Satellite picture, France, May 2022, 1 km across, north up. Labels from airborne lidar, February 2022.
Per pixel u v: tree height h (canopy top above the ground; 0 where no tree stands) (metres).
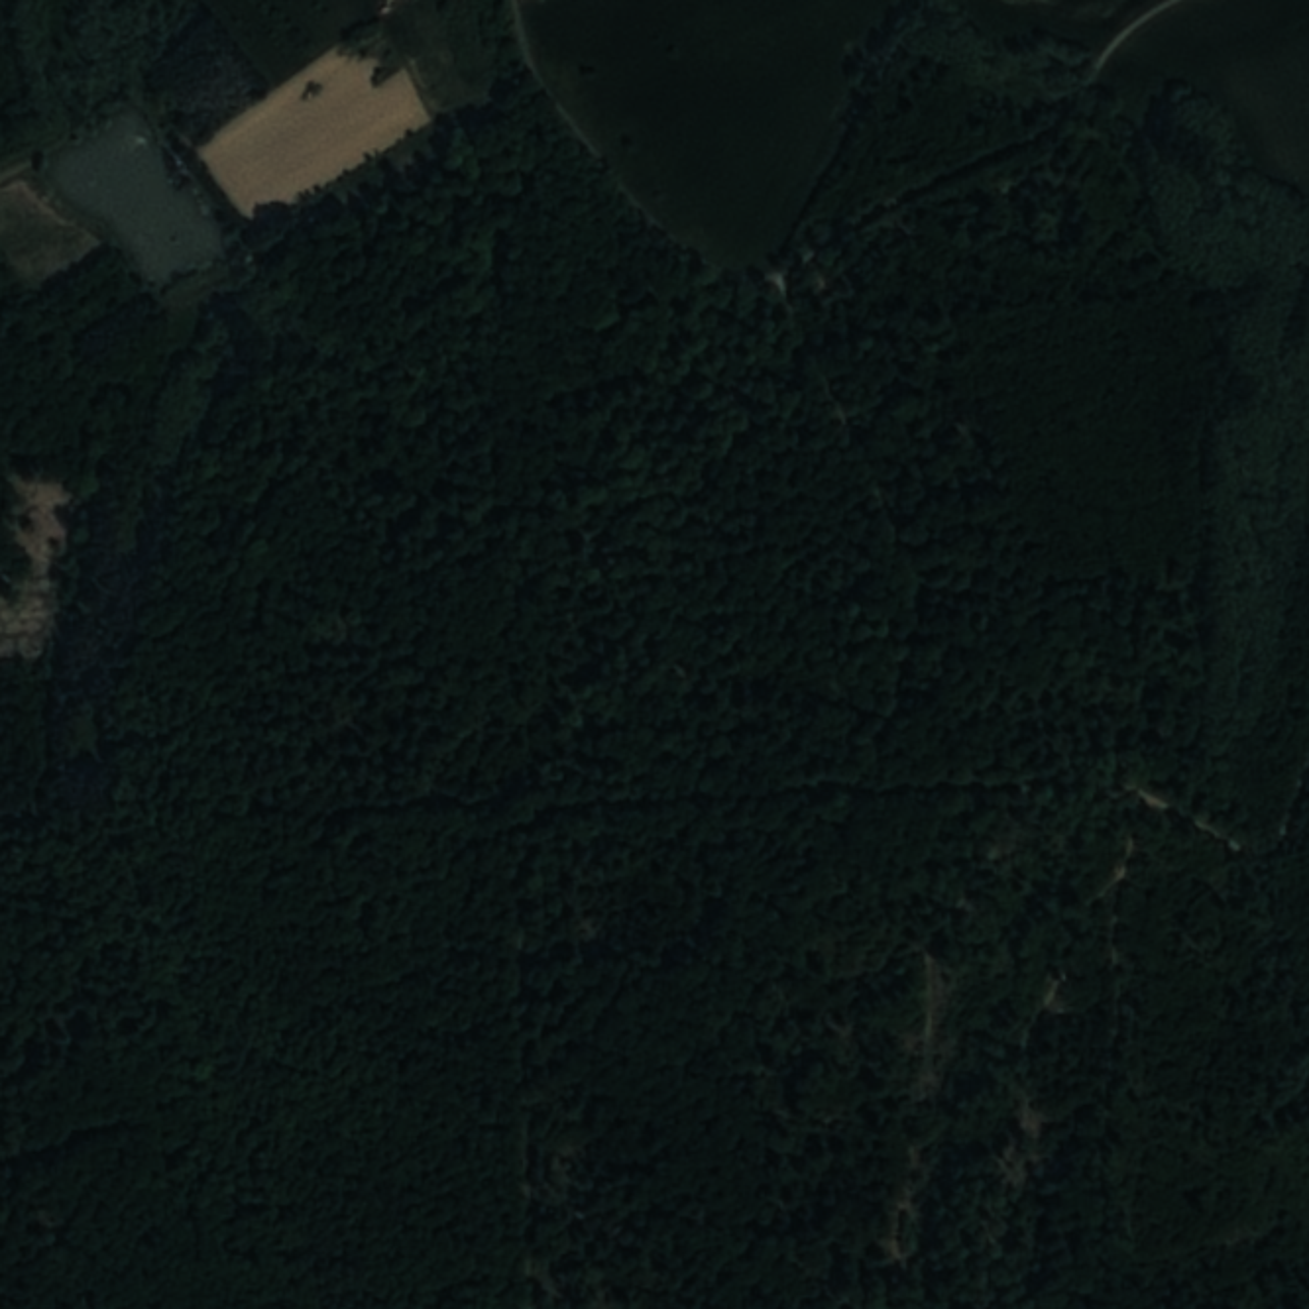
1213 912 8
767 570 32
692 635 26
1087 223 34
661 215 0
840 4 0
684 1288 32
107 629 25
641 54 0
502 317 30
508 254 24
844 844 31
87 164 0
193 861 26
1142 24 0
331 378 30
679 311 33
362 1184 26
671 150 0
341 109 0
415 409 33
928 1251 39
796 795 22
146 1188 27
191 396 20
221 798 28
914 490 31
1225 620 24
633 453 32
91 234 0
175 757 27
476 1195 26
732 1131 29
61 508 0
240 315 30
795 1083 35
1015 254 31
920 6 19
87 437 29
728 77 0
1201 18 0
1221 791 25
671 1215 32
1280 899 22
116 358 15
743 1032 31
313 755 30
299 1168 26
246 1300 27
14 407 33
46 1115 28
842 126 0
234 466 26
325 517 30
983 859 34
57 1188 30
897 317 31
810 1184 11
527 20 0
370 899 29
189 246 0
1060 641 31
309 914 24
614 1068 29
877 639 27
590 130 0
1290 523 22
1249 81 0
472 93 0
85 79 20
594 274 32
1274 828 19
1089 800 36
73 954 27
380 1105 23
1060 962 25
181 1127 26
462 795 19
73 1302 29
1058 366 17
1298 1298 29
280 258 27
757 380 34
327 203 0
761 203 0
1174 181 29
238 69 15
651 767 29
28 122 21
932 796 28
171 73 21
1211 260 29
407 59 0
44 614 0
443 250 28
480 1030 24
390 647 30
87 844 28
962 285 15
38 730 14
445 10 9
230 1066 34
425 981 24
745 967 30
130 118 0
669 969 30
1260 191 26
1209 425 24
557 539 34
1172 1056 8
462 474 36
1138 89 0
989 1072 31
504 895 23
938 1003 0
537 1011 29
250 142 0
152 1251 28
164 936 27
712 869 31
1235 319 27
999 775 28
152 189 0
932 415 29
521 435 31
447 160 28
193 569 29
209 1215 26
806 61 0
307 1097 24
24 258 0
